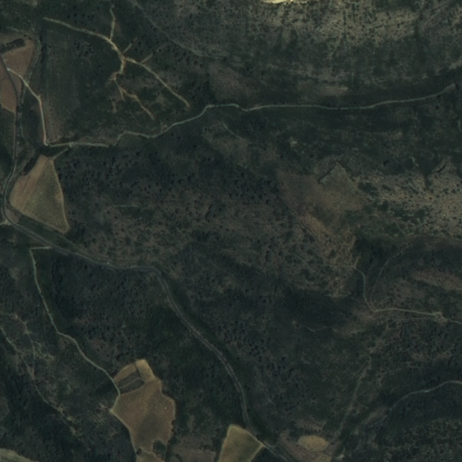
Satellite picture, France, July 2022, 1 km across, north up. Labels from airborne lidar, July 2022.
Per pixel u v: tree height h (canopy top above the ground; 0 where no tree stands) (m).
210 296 9
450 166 0
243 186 6
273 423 0
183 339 6
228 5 0
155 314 10
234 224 0
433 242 0
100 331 14
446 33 0
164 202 8
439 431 7
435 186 0
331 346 6
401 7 0
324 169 0
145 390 0
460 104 0
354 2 0
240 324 11
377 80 0
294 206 0
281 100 7
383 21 0
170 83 0
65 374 0
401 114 0
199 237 6
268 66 0
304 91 0
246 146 0
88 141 0
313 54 0
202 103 6
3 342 7
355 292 8
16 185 0
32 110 6
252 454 0
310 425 0
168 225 10
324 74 0
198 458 0
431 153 0
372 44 0
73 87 0
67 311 14
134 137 0
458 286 0
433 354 12
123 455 8
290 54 0
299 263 7
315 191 0
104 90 0
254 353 11
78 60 0
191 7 0
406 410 8
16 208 0
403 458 7
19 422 12
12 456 0
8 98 0
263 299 10
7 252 0
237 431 0
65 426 6
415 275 0
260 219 0
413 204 0
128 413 0
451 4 0
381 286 0
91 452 8
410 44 0
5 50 6
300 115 0
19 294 7
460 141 0
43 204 0
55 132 0
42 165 0
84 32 0
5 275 10
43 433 14
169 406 0
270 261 11
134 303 10
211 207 11
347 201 0
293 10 0
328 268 6
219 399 6
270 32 0
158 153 10
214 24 0
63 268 14
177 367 11
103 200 0
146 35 6
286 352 0
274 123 0
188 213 6
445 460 8
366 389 0
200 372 6
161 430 0
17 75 0
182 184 12
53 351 6
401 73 0
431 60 0
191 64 14
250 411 14
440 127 0
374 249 12
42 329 7
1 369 9
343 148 0
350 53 0
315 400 9
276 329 5
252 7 0
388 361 10
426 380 8
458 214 0
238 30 0
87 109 0
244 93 0
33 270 7
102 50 0
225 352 7
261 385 0
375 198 0
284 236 6
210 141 0
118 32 0
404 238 0
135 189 9
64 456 11
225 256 6
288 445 0
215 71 0
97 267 7
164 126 0
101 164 6
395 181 0
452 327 11
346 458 6
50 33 0
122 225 0
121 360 15
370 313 0
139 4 0
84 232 12
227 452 0
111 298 8
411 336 11
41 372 9
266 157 0
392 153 0
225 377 10
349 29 0
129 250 0
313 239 6
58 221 0
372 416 0
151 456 0
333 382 0
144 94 6
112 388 7
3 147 6
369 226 0
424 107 0
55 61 0
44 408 8
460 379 9
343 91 0
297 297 6
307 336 0
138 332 6
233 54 0
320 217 0
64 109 0
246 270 6
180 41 0
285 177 0
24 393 17
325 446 0
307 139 0
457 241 0
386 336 6
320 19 0
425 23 0
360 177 0
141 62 0
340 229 0
